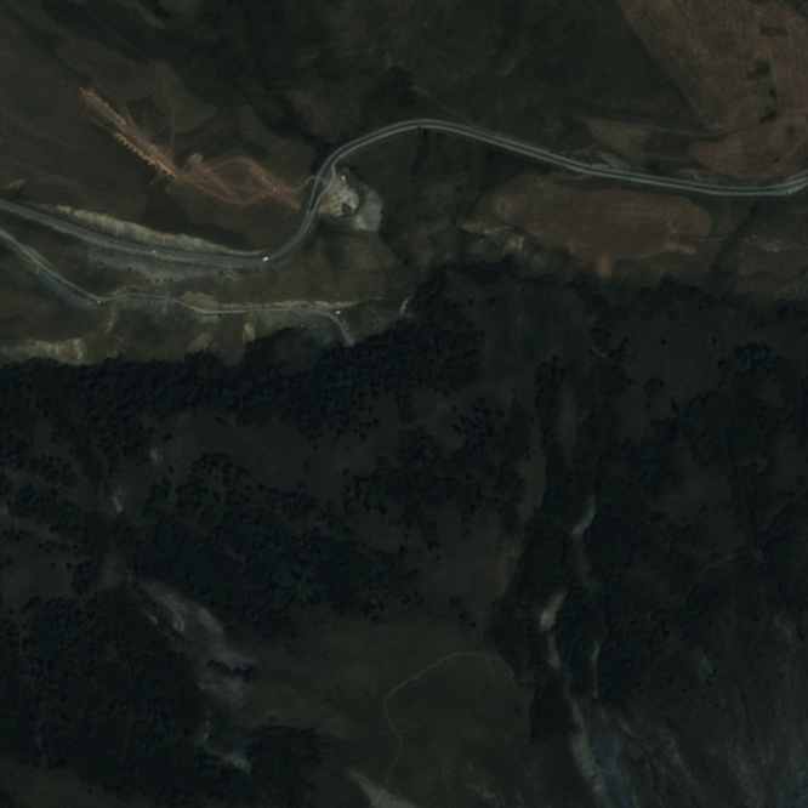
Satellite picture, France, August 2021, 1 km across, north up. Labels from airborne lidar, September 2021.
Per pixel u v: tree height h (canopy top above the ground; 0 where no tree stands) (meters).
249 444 0
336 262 0
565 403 0
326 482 0
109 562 0
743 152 0
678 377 0
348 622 0
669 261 0
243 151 0
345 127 0
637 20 0
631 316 0
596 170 0
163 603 0
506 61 0
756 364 7
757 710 0
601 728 0
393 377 8
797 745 0
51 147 0
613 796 0
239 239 0
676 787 0
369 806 0
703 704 0
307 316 0
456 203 0
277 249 0
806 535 0
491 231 0
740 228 0
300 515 6
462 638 0
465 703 0
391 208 0
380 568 0
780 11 0
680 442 13
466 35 0
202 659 0
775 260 0
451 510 0
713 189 0
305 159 0
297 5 0
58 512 9
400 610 0
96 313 0
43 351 0
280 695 0
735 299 0
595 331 7
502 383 0
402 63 0
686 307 0
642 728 0
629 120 0
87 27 0
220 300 0
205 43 0
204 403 8
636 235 0
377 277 0
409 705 0
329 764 0
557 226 0
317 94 0
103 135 0
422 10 0
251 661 0
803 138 0
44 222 0
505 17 0
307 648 0
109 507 0
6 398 9
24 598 0
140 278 0
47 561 0
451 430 0
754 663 0
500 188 0
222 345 0
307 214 0
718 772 0
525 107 0
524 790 0
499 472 7
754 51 0
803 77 0
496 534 0
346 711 0
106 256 0
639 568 0
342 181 0
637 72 0
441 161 0
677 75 0
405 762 0
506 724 0
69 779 0
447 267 6
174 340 0
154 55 0
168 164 0
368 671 0
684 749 0
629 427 0
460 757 0
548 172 0
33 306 0
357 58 0
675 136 0
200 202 0
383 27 0
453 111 0
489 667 0
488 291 0
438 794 0
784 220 0
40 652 6
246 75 0
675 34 0
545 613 0
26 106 0
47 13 0
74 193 0
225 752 0
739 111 0
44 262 0
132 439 8
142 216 0
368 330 0
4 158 0
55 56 0
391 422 0
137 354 0
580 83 0
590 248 0
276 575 8
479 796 0
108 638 8
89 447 5
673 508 0
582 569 0
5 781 0
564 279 0
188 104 0
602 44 0
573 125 0
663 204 0
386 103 0
